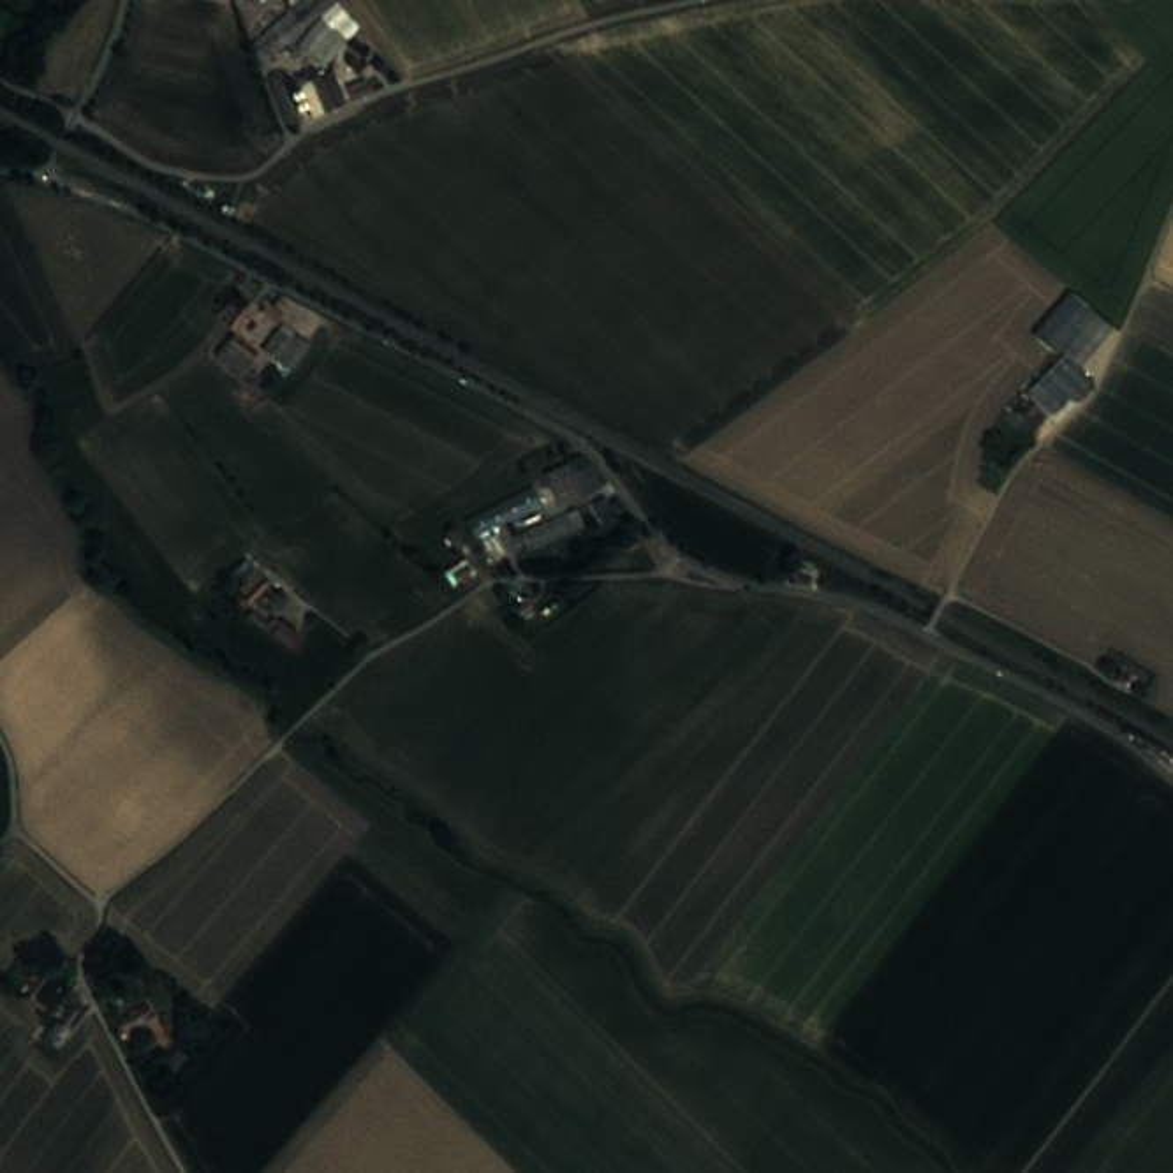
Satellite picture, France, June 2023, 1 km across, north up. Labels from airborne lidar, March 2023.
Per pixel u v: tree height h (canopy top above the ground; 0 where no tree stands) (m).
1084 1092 0
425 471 0
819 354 0
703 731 0
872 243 0
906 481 0
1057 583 0
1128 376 0
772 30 0
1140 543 0
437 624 0
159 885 0
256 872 0
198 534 0
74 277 0
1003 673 0
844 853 0
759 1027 0
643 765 0
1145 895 0
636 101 0
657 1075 0
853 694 0
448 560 0
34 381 13
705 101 0
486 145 0
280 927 0
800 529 0
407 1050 0
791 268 0
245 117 0
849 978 0
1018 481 0
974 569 0
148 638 0
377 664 0
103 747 0
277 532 0
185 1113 0
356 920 0
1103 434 0
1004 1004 0
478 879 0
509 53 0
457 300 0
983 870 0
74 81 0
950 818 0
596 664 0
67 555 0
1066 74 0
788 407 0
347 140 0
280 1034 0
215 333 0
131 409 0
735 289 0
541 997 0
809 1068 0
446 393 0
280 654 0
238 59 0
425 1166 0
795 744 0
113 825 0
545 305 0
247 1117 0
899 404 0
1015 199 0
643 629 0
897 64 0
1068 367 0
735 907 0
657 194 0
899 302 0
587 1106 0
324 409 0
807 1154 0
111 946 16
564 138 0
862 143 0
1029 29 0
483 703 0
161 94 0
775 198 0
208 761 0
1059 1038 0
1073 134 0
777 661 0
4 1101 0
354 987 0
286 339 0
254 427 0
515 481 0
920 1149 0
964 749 0
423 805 0
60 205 0
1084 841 0
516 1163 0
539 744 0
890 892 0
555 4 0
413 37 0
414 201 0
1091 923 0
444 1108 0
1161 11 0
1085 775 0
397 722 0
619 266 0
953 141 0
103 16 0
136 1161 0
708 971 0
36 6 0
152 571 0
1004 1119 0
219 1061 0
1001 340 0
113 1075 0
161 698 0
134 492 0
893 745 0
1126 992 0
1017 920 0
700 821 0
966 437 0
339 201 0
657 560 0
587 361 0
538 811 0
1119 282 0
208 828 0
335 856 0
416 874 0
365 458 0
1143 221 0
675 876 0
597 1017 0
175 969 0
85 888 0
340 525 0
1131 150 0
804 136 0
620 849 0
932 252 0
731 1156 0
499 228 0
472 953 0
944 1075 0
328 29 0
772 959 0
